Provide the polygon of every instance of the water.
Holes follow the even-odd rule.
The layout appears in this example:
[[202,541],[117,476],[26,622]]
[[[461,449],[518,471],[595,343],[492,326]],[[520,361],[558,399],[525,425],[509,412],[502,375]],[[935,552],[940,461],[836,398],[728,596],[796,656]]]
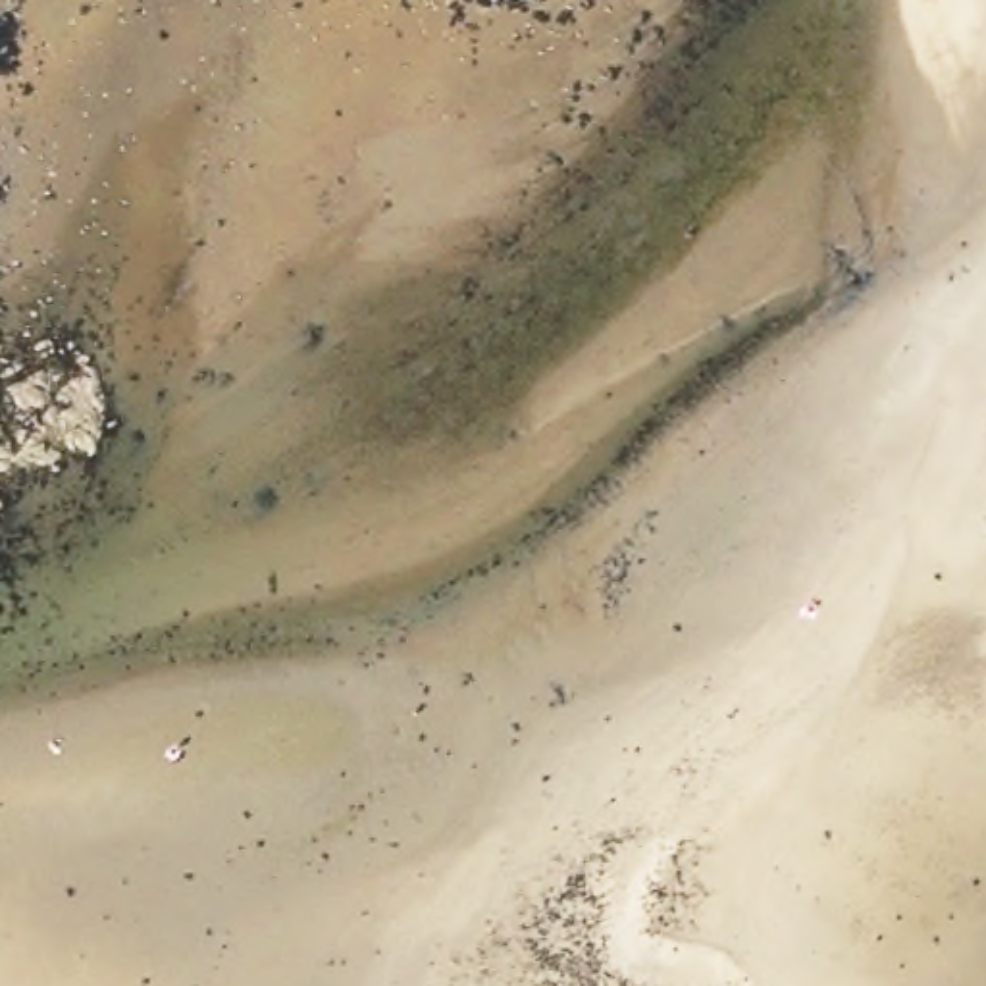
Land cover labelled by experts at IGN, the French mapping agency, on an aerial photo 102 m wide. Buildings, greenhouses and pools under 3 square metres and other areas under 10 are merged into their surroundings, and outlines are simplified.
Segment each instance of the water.
[[397,447],[431,435],[431,424],[443,412],[458,412],[474,428],[493,412],[520,408],[547,370],[582,350],[585,339],[597,335],[612,316],[620,316],[651,277],[670,273],[686,258],[686,250],[697,247],[697,235],[716,220],[716,208],[732,193],[755,185],[763,169],[774,166],[782,150],[805,135],[805,127],[820,127],[820,139],[828,146],[863,143],[863,104],[874,96],[878,81],[878,35],[882,19],[897,8],[897,0],[682,0],[678,15],[655,27],[659,58],[639,65],[636,96],[597,127],[589,150],[539,193],[528,216],[512,220],[512,227],[497,239],[478,243],[474,266],[462,277],[462,304],[451,316],[424,316],[393,324],[385,331],[366,331],[362,339],[354,335],[335,343],[331,362],[320,370],[327,385],[339,385],[339,416],[327,420],[335,428],[335,439]]

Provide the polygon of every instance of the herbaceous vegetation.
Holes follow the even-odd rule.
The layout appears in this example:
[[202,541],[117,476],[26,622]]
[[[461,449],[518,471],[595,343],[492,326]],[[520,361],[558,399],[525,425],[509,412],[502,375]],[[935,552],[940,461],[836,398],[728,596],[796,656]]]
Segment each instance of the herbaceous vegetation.
[[19,65],[19,23],[0,12],[0,73],[12,73]]

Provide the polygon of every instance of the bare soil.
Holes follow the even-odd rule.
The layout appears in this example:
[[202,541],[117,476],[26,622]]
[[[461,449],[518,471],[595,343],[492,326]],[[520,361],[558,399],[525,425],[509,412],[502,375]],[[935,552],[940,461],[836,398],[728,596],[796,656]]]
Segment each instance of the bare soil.
[[474,266],[478,243],[497,239],[512,227],[512,220],[528,216],[539,193],[589,150],[597,127],[636,96],[639,65],[659,58],[655,27],[678,15],[682,0],[0,0],[0,12],[19,23],[19,65],[12,73],[0,73],[0,986],[986,986],[986,0],[897,0],[897,8],[882,19],[878,35],[878,81],[874,96],[863,104],[863,143],[828,146],[820,139],[820,127],[805,127],[805,135],[782,150],[774,166],[763,169],[755,185],[732,193],[716,208],[716,220],[697,235],[697,247],[686,250],[686,258],[670,273],[651,277],[620,316],[612,316],[597,335],[585,339],[582,350],[547,370],[520,408],[493,412],[474,428],[458,412],[443,412],[431,424],[431,435],[397,447],[335,439],[335,428],[327,420],[339,416],[339,385],[327,385],[320,370],[331,362],[335,343],[354,335],[362,339],[366,331],[385,331],[393,324],[424,316],[451,316],[462,304],[462,277]]

